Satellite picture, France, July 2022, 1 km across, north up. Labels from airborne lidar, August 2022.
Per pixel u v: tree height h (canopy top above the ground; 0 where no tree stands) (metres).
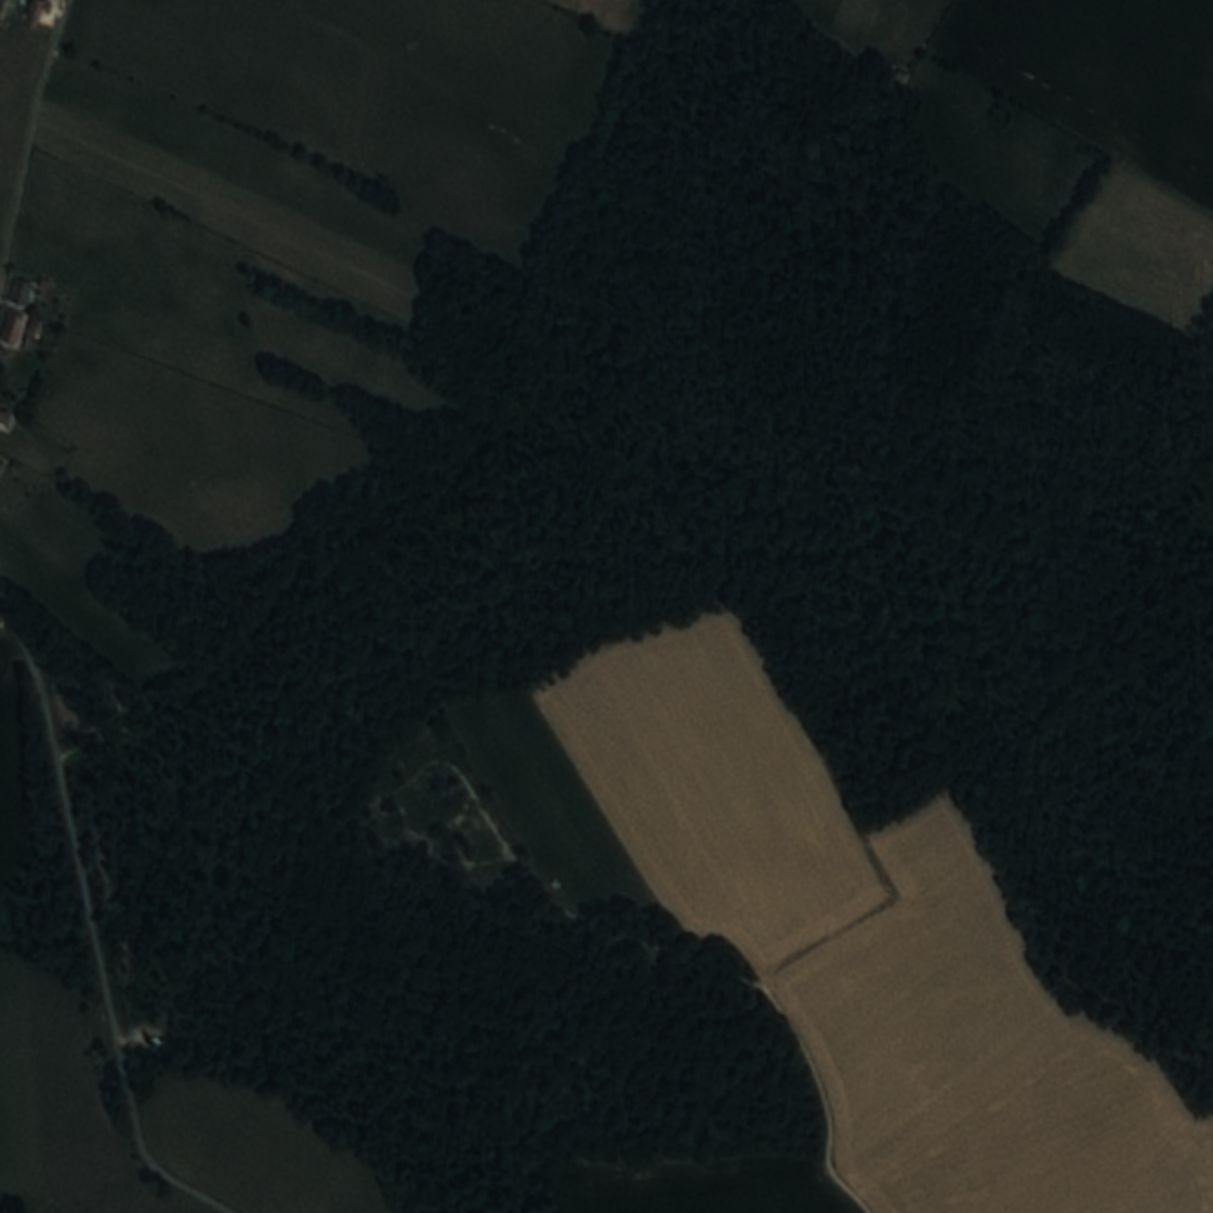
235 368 0
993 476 31
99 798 13
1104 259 0
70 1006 0
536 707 0
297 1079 6
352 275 0
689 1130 26
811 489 20
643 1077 16
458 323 21
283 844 23
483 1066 14
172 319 0
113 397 0
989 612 21
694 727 0
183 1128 0
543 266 21
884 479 13
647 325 27
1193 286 0
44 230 0
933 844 0
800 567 17
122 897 10
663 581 26
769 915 0
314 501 16
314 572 17
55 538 0
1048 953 17
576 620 24
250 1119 0
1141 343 21
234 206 0
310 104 0
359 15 0
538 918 18
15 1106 0
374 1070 13
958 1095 0
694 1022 15
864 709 26
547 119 0
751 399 25
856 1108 0
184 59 0
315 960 23
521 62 0
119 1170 0
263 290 21
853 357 18
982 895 0
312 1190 0
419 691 21
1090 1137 0
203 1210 0
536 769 0
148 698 7
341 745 12
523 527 29
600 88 0
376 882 15
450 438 23
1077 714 21
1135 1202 0
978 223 25
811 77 21
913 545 24
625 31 0
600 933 21
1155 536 22
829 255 13
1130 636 30
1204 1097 21
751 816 0
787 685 24
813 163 27
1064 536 24
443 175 0
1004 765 20
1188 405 28
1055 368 14
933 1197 0
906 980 0
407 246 0
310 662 14
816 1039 0
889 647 28
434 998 15
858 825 12
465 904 24
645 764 0
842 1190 0
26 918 8
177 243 0
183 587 22
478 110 0
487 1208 19
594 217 23
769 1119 24
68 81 0
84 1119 0
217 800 20
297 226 0
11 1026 0
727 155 26
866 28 0
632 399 27
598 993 18
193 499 0
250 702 18
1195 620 13
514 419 15
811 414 22
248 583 19
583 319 21
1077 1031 0
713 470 18
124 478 0
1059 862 19
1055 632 22
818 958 0
